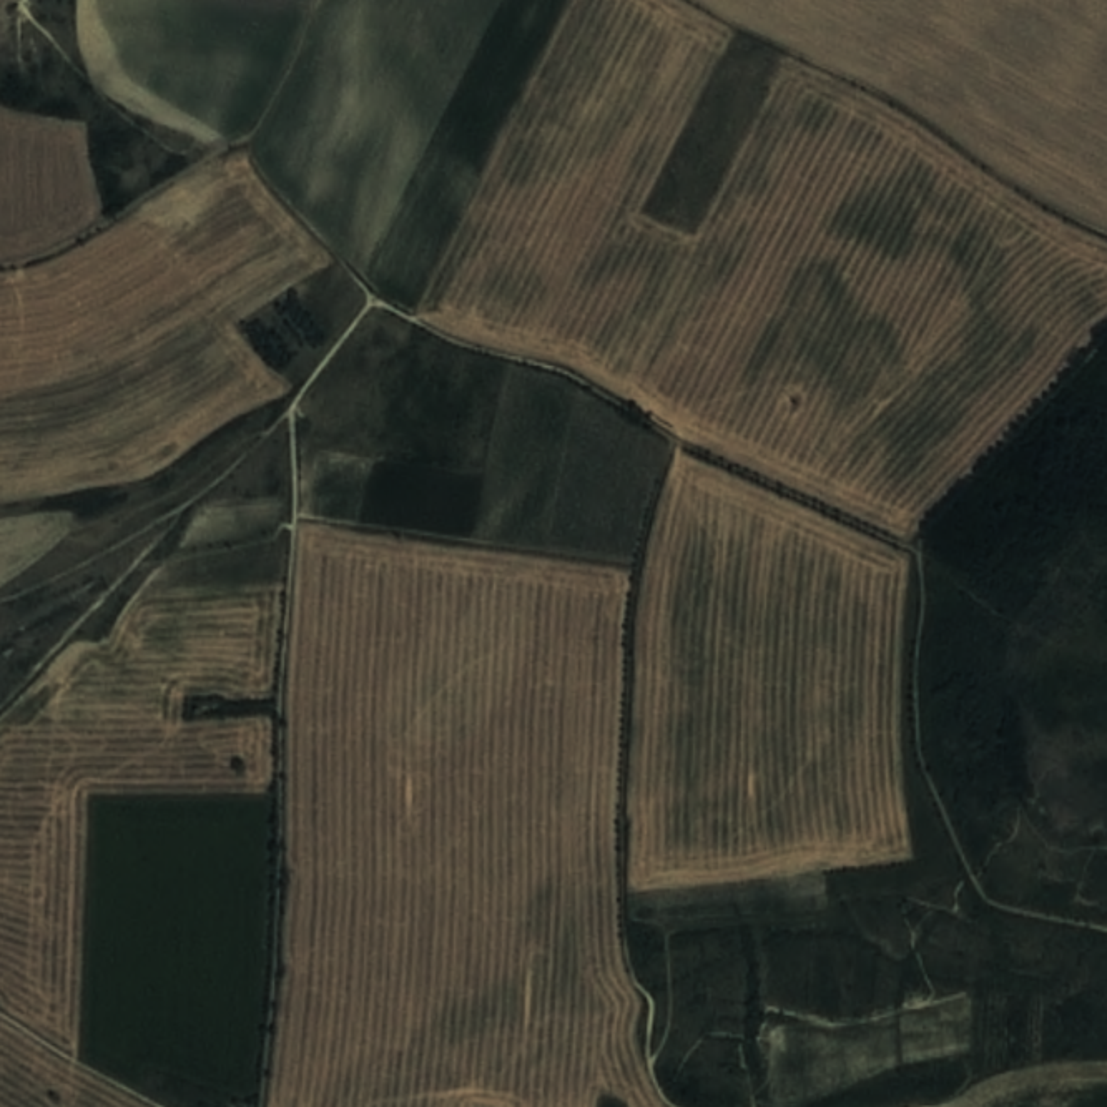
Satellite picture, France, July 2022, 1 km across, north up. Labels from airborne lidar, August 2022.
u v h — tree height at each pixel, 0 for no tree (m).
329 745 0
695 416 0
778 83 0
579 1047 0
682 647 0
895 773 0
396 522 0
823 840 0
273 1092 0
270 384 0
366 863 0
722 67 0
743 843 0
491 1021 0
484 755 0
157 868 0
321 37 0
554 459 0
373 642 0
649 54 0
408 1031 0
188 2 0
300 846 0
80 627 0
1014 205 0
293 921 0
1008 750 6
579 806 0
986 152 0
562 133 0
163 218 0
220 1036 0
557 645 0
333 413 0
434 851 0
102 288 0
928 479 0
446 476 0
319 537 0
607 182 0
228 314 0
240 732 0
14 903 0
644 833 0
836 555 0
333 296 0
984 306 0
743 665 0
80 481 0
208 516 0
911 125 0
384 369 0
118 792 0
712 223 0
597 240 0
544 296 0
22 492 0
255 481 0
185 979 0
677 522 0
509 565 0
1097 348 7
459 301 0
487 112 0
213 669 0
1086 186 0
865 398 0
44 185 0
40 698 0
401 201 0
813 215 0
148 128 0
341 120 0
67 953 0
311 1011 0
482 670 0
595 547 0
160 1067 0
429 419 0
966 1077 0
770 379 0
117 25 0
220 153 0
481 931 0
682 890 0
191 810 0
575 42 0
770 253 0
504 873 0
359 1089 0
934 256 0
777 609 0
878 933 0
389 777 0
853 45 0
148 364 0
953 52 0
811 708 0
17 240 0
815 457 0
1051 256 0
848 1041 0
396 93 0
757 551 0
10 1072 0
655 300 0
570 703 0
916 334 0
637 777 0
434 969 0
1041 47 0
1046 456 15
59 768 0
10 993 0
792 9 0
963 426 0
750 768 0
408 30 0
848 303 0
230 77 0
